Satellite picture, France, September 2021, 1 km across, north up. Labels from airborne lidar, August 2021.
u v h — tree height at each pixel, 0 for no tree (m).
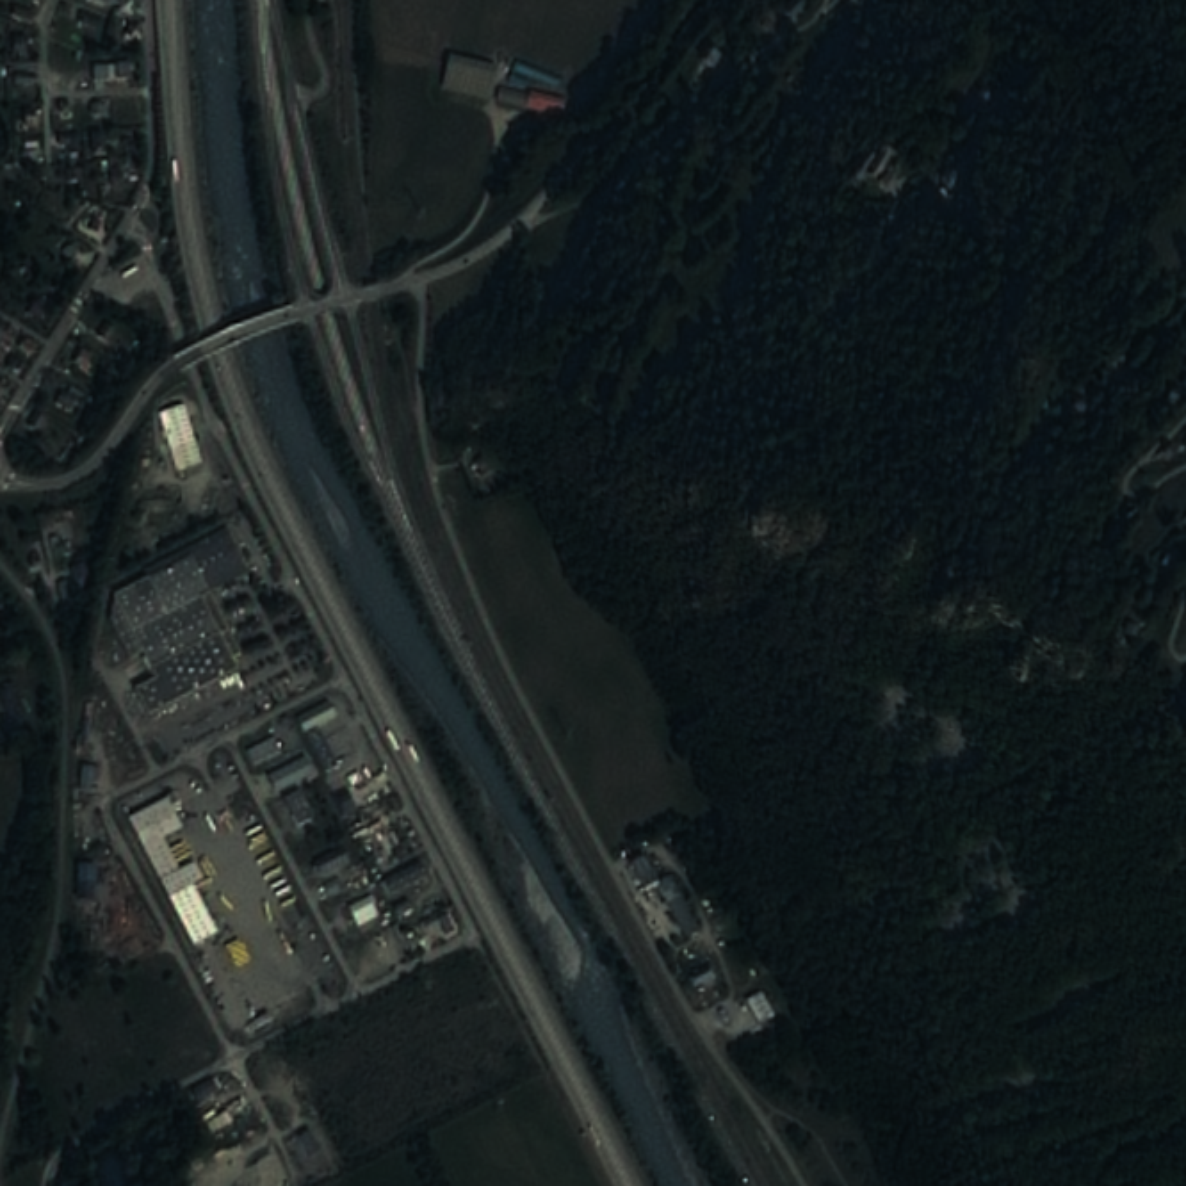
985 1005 19
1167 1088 16
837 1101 9
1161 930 18
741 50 8
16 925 24
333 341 0
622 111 10
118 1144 18
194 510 0
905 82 25
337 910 0
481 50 0
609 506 11
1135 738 18
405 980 6
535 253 0
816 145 18
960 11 21
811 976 30
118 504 16
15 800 0
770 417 20
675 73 6
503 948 0
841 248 17
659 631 12
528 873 0
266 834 0
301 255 0
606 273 19
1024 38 24
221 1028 0
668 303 18
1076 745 22
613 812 0
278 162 0
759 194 0
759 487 11
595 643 0
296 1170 0
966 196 13
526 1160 0
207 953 0
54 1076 0
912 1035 11
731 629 22
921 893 10
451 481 0
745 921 14
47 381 14
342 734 0
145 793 0
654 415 16
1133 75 30
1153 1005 20
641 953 0
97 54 16
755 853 15
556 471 19
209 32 0
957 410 25
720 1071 0
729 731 18
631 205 18
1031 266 23
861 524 21
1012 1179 16
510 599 0
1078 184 11
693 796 0
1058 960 21
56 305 12
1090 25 27
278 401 0
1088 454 17
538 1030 0
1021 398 11
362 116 8
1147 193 17
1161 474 0
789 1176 0
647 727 0
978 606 10
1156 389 12
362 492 9
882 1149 16
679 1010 0
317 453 0
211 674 0
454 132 0
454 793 7
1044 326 16
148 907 0
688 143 12
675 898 0
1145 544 0
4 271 6
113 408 7
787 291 18
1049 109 31
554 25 0
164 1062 0
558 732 0
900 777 16
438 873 0
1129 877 21
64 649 11
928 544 10
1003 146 22
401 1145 7
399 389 0
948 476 24
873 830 25
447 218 0
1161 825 18
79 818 0
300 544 0
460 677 7
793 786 10
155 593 0
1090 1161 17
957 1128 23
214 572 0
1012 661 9
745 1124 0
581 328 17
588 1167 0
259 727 0
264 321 0
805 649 25
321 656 6
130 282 0
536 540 0
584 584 21
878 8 17
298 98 0
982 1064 19
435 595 0
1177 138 28
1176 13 24
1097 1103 16
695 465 14
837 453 27
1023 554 22
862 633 14
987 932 19
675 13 16
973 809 20
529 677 0
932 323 26
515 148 16
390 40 0
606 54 0
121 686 0
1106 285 19
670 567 17
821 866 13
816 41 0
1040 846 17
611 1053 0
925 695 15
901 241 14
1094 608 20
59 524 0
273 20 0
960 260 26
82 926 0
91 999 0
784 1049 10
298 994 0
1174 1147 18
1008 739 22
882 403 20
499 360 12
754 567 12
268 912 0
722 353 19
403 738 0
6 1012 19
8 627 20
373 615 0
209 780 0
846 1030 19
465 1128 0
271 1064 0
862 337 20
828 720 24
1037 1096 10
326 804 6
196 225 0
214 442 0
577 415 17
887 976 19
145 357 8
